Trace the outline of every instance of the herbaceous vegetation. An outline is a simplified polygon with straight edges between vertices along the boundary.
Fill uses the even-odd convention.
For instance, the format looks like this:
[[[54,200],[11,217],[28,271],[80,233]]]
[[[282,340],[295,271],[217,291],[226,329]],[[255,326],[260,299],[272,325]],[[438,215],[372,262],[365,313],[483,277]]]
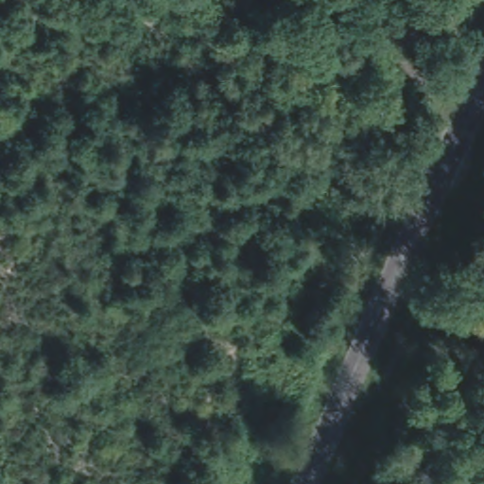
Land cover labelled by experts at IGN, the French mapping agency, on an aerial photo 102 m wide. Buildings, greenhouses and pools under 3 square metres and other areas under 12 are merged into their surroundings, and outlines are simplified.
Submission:
[[[397,384],[397,380],[401,378],[401,361],[408,359],[412,354],[412,338],[408,333],[420,331],[423,327],[416,316],[410,314],[408,306],[403,304],[403,318],[395,323],[395,329],[388,337],[389,342],[397,348],[397,352],[393,355],[384,352],[382,355],[382,365],[386,367],[388,384]]]
[[[342,476],[342,484],[372,484],[376,480],[374,475],[378,473],[378,469],[372,465],[371,459],[365,458],[357,448],[350,471]]]
[[[384,416],[393,410],[395,395],[386,389],[384,395],[372,399],[367,416],[355,420],[355,429],[350,439],[357,446],[363,442],[363,435],[372,435],[378,431]]]
[[[425,248],[416,255],[410,267],[406,268],[406,285],[412,291],[422,293],[423,289],[429,287],[429,282],[423,282],[423,276],[458,274],[467,270],[478,255],[473,250],[473,242],[484,240],[484,216],[475,217],[471,212],[456,217],[454,225],[446,225],[439,236],[433,236],[425,242]]]

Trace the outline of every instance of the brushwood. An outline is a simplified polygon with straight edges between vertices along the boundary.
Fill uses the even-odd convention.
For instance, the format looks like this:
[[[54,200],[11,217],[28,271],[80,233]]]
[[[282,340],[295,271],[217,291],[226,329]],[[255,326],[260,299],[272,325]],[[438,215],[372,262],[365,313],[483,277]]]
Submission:
[[[221,83],[227,74],[233,72],[233,66],[229,62],[214,59],[219,47],[214,42],[214,36],[219,30],[219,19],[214,23],[200,23],[195,21],[191,13],[180,15],[170,11],[168,0],[0,0],[0,376],[6,380],[4,388],[9,391],[8,399],[19,399],[23,410],[21,420],[9,431],[6,439],[8,456],[0,465],[0,484],[251,484],[255,461],[270,461],[278,469],[297,471],[306,465],[310,458],[310,441],[321,423],[320,408],[316,399],[320,395],[321,384],[329,384],[333,378],[337,378],[337,369],[344,363],[344,355],[348,352],[348,346],[344,342],[346,325],[355,320],[357,312],[361,312],[361,285],[365,284],[369,276],[382,276],[382,268],[372,263],[371,257],[371,234],[378,223],[376,217],[367,214],[340,216],[348,202],[361,204],[361,197],[355,195],[344,178],[333,178],[323,191],[323,195],[302,212],[293,208],[289,200],[282,197],[270,199],[265,204],[250,204],[227,210],[225,200],[216,199],[212,193],[212,185],[216,181],[214,161],[199,163],[197,159],[178,157],[172,149],[149,142],[147,130],[153,127],[153,119],[172,115],[174,91],[183,93],[187,87],[210,85],[214,81]],[[59,376],[70,359],[85,359],[87,363],[96,363],[98,367],[89,378],[112,378],[115,384],[110,393],[98,393],[91,403],[78,406],[72,414],[64,414],[55,410],[55,403],[62,395],[68,395],[68,391],[60,384]]]

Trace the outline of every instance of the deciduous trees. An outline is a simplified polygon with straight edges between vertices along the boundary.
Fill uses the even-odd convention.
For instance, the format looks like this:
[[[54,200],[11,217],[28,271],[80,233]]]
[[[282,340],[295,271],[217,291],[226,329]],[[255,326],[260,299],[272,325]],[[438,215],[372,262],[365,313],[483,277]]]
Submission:
[[[0,465],[8,456],[6,439],[9,431],[21,420],[23,410],[19,399],[8,399],[9,391],[4,388],[6,380],[0,376]]]
[[[408,333],[412,338],[412,354],[408,359],[401,361],[401,378],[397,380],[397,384],[388,384],[386,389],[395,395],[393,410],[384,416],[378,431],[372,435],[363,435],[363,442],[357,446],[357,448],[365,458],[371,459],[372,465],[378,469],[378,473],[374,475],[376,480],[372,484],[484,484],[484,240],[473,242],[473,250],[478,255],[467,270],[458,274],[423,276],[423,282],[429,282],[429,287],[423,289],[422,293],[412,291],[406,285],[405,293],[401,297],[403,304],[408,306],[410,314],[416,316],[423,327],[420,331]]]
[[[473,199],[469,200],[471,212],[475,217],[484,216],[484,149],[475,159],[476,183],[473,187]]]
[[[270,199],[282,197],[289,200],[293,208],[302,212],[323,195],[323,191],[333,178],[344,178],[355,195],[361,197],[361,204],[348,202],[340,216],[367,214],[376,217],[401,217],[422,210],[422,197],[427,187],[425,168],[441,157],[444,151],[442,138],[452,129],[452,113],[458,104],[467,100],[469,91],[475,85],[480,60],[484,59],[484,0],[168,0],[170,11],[180,15],[191,13],[195,21],[200,23],[214,23],[219,19],[219,30],[214,36],[214,42],[219,47],[214,59],[229,62],[233,66],[233,72],[227,74],[221,83],[214,81],[210,85],[187,87],[183,93],[174,91],[172,115],[153,119],[153,127],[147,130],[149,142],[172,149],[178,157],[197,159],[199,163],[214,161],[216,181],[212,185],[212,193],[216,199],[225,200],[227,210],[250,204],[265,204]]]
[[[98,393],[110,393],[115,384],[112,378],[89,378],[98,367],[96,363],[87,363],[85,359],[70,359],[59,376],[60,384],[68,391],[68,395],[62,395],[55,403],[55,410],[64,414],[72,414],[78,406],[91,403]]]

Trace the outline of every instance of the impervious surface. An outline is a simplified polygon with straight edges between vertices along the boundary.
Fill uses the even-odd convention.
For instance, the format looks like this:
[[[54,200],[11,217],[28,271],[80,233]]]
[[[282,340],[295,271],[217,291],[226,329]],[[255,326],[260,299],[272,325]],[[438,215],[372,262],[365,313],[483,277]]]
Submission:
[[[357,446],[350,439],[355,429],[355,420],[367,416],[372,399],[384,395],[386,389],[388,384],[386,367],[382,365],[382,355],[384,352],[393,355],[397,352],[397,348],[389,342],[388,337],[395,329],[395,323],[403,318],[403,304],[401,297],[405,293],[406,285],[406,268],[410,267],[416,255],[425,248],[425,242],[433,236],[439,236],[446,225],[454,225],[456,217],[471,212],[469,200],[473,199],[473,187],[476,183],[475,159],[484,149],[484,59],[480,60],[475,85],[469,91],[467,100],[458,104],[452,113],[452,129],[442,138],[444,151],[441,157],[425,168],[427,187],[422,197],[422,210],[401,217],[376,217],[378,223],[371,234],[371,257],[372,263],[382,268],[382,276],[369,276],[365,284],[361,285],[361,312],[357,312],[355,320],[346,325],[344,342],[348,346],[348,352],[344,355],[344,363],[337,369],[337,378],[333,378],[329,384],[321,384],[320,395],[316,399],[320,408],[321,423],[310,441],[310,458],[306,465],[297,471],[278,469],[270,461],[255,461],[251,484],[342,484],[342,476],[350,471],[357,448]]]

